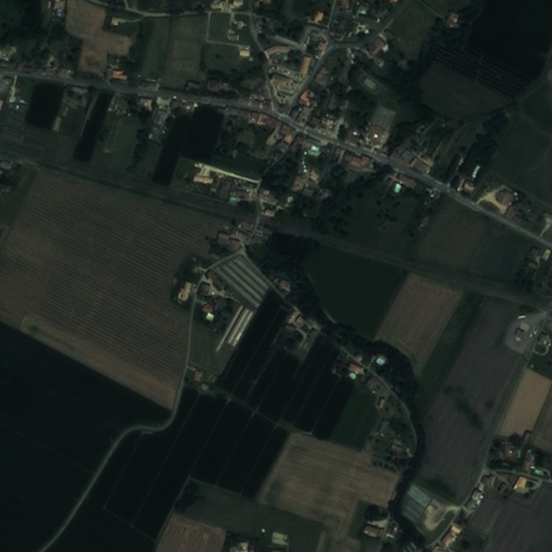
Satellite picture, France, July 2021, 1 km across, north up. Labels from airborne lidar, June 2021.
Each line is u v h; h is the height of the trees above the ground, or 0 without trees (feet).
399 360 33
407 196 25
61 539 0
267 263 21
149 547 0
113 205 0
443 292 0
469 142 0
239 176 0
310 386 0
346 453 0
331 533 0
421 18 0
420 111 60
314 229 22
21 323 0
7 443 0
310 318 26
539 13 0
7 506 0
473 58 59
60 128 0
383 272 0
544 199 0
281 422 0
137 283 0
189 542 0
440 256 0
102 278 0
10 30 31
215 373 0
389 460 39
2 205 0
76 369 0
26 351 0
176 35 0
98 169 0
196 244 0
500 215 0
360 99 49
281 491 0
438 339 0
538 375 0
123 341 0
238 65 0
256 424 0
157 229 0
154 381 0
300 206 32
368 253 0
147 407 0
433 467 0
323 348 0
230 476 0
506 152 0
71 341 0
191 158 0
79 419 0
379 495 0
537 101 0
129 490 0
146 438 0
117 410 0
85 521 0
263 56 58
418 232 0
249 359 0
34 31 44
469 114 0
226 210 0
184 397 0
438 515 0
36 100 0
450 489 0
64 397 0
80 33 0
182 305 0
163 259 0
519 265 0
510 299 0
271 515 0
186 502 34
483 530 0
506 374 0
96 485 0
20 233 0
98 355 0
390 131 0
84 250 0
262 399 0
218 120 0
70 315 0
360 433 0
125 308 0
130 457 0
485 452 0
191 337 0
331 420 0
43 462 0
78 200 0
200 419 0
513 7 0
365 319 0
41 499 0
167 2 0
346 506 0
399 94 29
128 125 0
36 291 0
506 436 0
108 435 0
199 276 0
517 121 0
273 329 0
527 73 0
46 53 37
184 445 0
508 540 0
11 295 0
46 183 0
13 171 25
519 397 0
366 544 0
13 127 0
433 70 0
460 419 0
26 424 0
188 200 0
